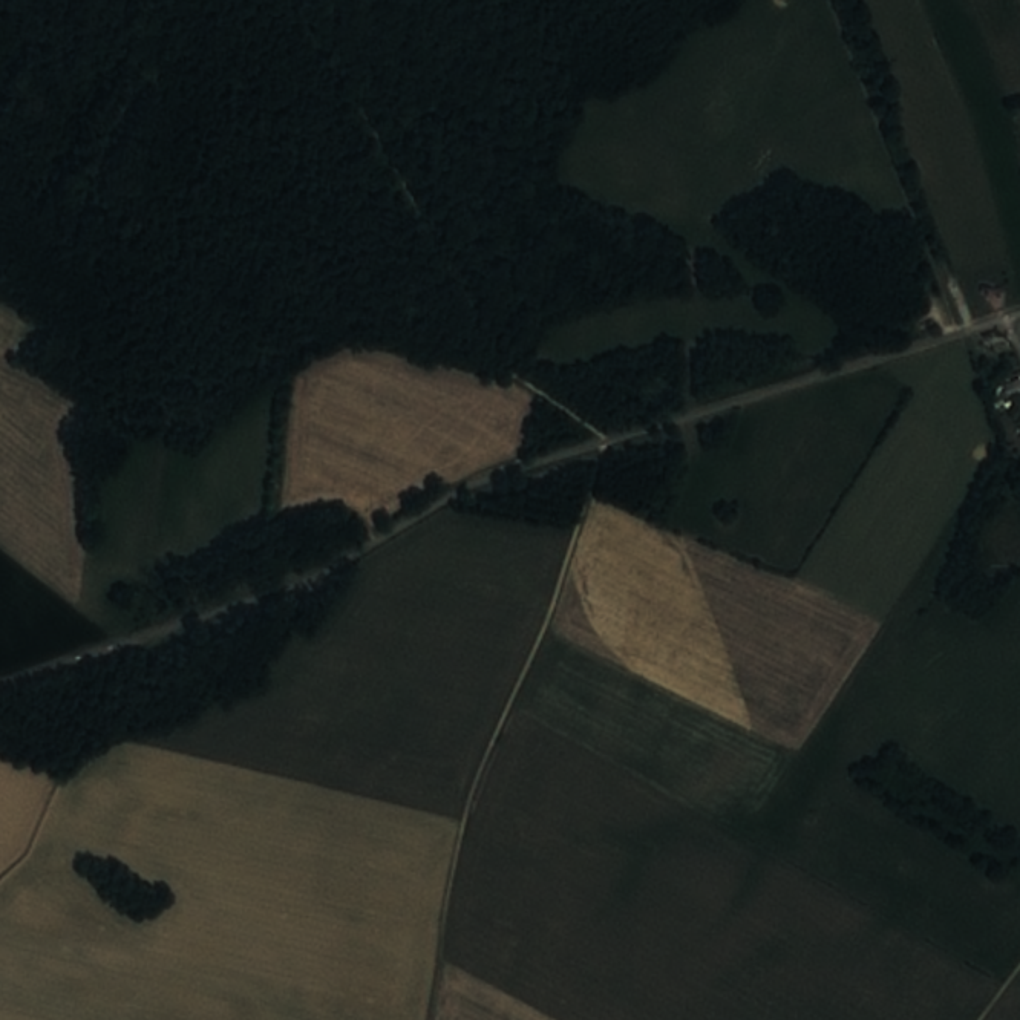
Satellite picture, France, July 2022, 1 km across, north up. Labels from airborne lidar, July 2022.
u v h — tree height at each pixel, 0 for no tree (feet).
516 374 33
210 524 0
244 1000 0
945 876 0
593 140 0
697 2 53
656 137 0
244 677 72
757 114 0
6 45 21
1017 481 65
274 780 0
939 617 0
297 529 79
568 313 55
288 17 64
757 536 0
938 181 0
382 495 0
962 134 0
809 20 0
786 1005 0
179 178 53
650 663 0
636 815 0
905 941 0
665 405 72
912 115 0
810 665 0
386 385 0
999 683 0
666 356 61
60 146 22
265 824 0
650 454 39
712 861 0
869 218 90
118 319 69
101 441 95
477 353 67
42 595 0
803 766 0
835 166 0
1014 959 0
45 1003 0
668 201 0
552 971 0
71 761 57
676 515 0
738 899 0
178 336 63
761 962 0
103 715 55
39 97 66
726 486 0
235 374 75
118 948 0
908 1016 0
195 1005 0
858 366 0
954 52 0
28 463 0
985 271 0
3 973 0
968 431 0
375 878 0
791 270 86
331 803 0
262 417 0
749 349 71
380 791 0
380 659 0
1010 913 0
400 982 0
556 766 0
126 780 0
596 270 78
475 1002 0
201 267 60
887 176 0
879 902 0
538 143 84
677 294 64
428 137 84
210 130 33
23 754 53
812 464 0
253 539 68
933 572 0
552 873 0
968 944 0
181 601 84
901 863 0
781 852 0
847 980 0
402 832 0
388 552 0
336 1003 0
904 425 0
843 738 0
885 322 83
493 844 0
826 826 0
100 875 61
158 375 19
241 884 0
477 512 46
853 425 0
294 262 47
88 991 0
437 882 0
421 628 0
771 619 0
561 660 0
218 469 0
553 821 0
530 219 54
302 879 0
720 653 0
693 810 0
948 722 0
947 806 52
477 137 77
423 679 0
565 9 56
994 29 0
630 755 0
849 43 42
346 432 0
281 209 62
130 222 56
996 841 58
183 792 0
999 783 0
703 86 0
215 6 55
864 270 100
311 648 0
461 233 70
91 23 72
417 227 74
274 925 0
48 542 0
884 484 0
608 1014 0
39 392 0
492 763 0
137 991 0
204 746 0
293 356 79
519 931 0
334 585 74
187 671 70
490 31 68
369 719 0
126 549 0
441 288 78
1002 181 0
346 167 56
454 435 0
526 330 89
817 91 0
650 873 0
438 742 0
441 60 73
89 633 0
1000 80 0
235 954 0
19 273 73
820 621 0
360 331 72
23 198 83
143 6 59
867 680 0
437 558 0
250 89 31
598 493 46
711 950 0
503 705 0
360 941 0
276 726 0
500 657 0
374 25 63
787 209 97
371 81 77
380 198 74
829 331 0
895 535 0
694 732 0
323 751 0
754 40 0
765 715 0
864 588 0
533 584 0
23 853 0
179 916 0
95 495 74
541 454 36
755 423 0
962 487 0
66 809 0
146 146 75
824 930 0
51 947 0
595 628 0
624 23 49
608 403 56
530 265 95
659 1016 0
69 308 73
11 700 49
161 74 66
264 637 80
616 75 58
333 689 0
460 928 0
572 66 66
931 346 0
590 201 66
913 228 70
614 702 0
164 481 0
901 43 0
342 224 36
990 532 0
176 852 0
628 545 0
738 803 0
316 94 56
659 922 0
